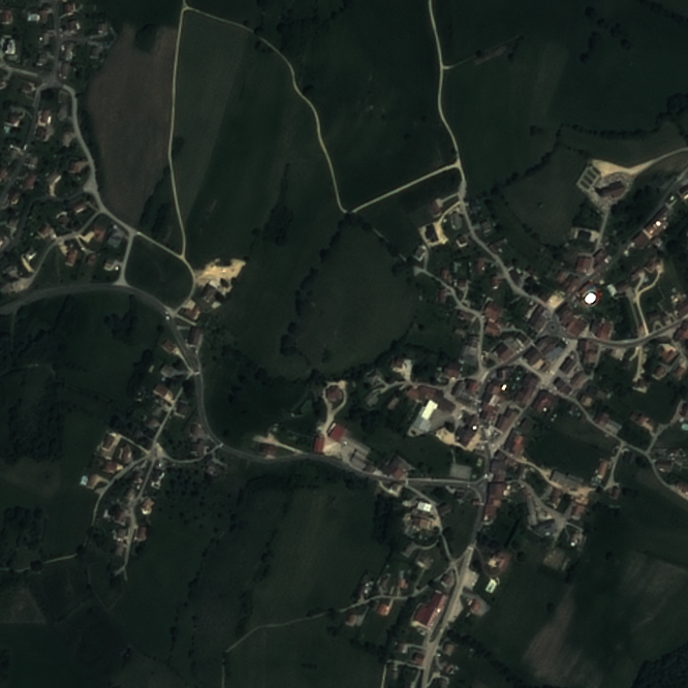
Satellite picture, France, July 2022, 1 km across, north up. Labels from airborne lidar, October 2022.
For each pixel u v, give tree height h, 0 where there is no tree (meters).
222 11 0
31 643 0
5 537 13
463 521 0
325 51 0
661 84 0
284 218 16
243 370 0
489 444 0
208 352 0
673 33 0
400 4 0
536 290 13
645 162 0
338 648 0
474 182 0
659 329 0
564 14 0
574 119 0
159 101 0
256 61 0
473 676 0
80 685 0
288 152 0
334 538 0
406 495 7
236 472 0
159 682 0
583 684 0
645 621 0
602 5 0
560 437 0
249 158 0
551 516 0
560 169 0
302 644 0
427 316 0
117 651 0
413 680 0
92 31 7
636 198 11
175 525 0
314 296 10
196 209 0
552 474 0
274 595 0
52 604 0
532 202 0
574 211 0
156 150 0
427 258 0
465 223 0
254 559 0
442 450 0
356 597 9
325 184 0
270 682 0
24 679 0
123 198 0
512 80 0
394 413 8
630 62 0
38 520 15
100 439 0
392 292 0
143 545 10
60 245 0
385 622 0
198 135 0
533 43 0
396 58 0
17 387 0
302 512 0
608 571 0
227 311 0
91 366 0
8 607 0
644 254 0
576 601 0
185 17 0
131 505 0
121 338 7
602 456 0
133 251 0
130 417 11
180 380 17
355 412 21
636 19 0
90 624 0
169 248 7
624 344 0
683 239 9
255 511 0
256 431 0
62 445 6
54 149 9
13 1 0
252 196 0
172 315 0
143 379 12
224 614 0
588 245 0
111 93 0
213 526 0
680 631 0
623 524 0
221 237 0
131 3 0
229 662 5
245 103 0
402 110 0
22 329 6
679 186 0
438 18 0
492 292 0
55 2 0
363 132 0
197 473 11
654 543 0
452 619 0
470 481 0
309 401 0
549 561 0
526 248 0
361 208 0
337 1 0
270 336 0
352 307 0
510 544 10
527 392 0
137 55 0
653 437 0
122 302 0
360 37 0
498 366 0
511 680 14
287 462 0
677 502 0
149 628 0
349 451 0
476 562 8
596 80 0
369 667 0
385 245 18
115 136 0
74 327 6
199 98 0
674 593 0
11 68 0
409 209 0
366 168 0
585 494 0
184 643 0
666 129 0
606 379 6
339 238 12
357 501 0
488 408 0
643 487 0
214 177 0
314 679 0
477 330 0
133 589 0
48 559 6
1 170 0
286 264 0
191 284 0
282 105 0
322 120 0
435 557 0
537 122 0
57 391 11
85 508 0
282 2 0
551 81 0
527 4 0
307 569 0
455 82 0
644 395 0
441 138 0
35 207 8
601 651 0
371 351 0
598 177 0
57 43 0
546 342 0
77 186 11
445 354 13
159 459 0
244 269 0
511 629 0
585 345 0
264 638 0
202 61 0
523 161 0
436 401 0
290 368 0
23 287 0
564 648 0
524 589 0
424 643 0
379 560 0
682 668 22
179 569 0
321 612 12
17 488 0
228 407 0
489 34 0
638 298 0
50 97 12
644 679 15
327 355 16
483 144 0
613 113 0
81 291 0
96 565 0
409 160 0
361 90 0
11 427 11
